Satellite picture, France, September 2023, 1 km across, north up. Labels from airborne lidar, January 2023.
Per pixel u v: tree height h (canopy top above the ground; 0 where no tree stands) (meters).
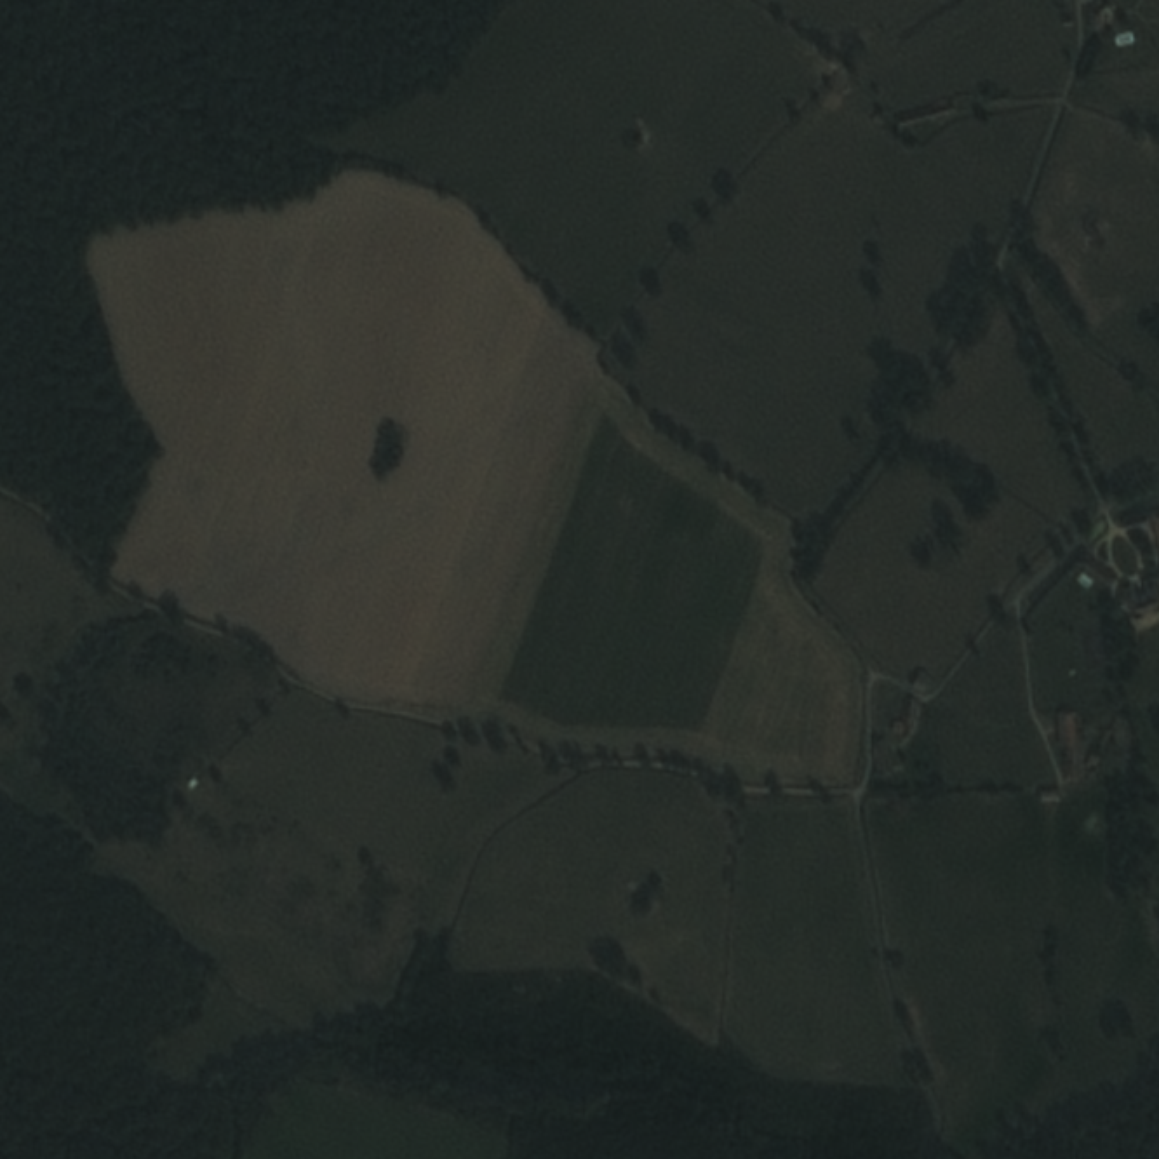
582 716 0
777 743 0
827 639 0
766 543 0
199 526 0
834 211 0
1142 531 8
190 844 0
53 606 0
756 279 0
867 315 0
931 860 0
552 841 0
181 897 0
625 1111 10
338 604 0
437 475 0
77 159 22
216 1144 19
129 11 21
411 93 12
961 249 0
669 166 0
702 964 0
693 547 0
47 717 12
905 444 20
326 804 0
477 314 0
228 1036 0
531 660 0
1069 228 0
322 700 0
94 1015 14
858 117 0
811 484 0
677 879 0
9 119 19
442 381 0
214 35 20
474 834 0
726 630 0
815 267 0
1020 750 0
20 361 23
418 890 0
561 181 0
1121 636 18
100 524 12
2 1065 17
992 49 0
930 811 0
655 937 0
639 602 0
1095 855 0
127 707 0
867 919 0
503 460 0
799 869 0
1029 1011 0
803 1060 0
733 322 0
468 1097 18
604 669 0
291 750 0
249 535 0
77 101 24
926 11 0
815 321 0
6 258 22
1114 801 6
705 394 0
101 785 9
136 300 0
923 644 0
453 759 12
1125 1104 19
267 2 20
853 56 13
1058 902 0
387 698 0
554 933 0
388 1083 13
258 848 0
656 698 0
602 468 0
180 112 21
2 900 18
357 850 0
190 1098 10
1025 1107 0
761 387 0
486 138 0
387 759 0
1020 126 0
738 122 0
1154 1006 0
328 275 0
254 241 0
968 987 0
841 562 0
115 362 12
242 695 0
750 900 0
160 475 0
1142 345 0
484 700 0
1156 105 0
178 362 0
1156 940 0
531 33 0
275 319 0
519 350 0
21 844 15
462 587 0
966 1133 0
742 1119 13
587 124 0
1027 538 0
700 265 0
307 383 0
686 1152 10
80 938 15
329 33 19
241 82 20
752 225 0
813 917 0
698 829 0
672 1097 12
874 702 0
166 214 19
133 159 23
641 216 0
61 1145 17
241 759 0
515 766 0
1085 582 0
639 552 0
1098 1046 0
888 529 0
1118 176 0
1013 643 0
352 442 0
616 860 0
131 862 0
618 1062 18
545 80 0
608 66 0
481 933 0
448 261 0
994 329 0
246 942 0
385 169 9
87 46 22
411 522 0
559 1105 21
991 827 0
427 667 0
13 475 18
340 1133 0
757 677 0
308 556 0
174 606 17
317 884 0
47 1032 15
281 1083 17
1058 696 0
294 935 0
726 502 0
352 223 0
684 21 0
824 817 0
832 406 0
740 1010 0
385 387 0
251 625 0
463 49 19
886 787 8
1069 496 0
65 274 21
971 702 0
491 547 0
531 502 0
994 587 0
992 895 0
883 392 15
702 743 0
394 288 0
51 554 0
